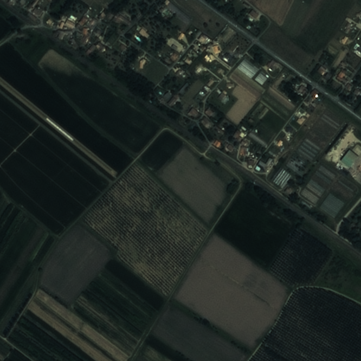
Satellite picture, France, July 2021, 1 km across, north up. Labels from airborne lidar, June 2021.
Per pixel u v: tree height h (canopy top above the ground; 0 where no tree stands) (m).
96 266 0
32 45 0
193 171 0
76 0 7
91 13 0
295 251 17
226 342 0
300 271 17
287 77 0
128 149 0
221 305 0
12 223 9
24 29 0
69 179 0
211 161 0
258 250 0
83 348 0
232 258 0
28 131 0
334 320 18
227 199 0
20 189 0
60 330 0
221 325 0
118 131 0
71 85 0
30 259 0
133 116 0
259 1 0
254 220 0
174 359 0
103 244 0
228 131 12
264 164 0
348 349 19
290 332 16
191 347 0
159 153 0
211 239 0
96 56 7
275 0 0
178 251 11
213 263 0
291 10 0
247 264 0
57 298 12
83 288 0
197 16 0
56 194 0
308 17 0
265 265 0
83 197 0
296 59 0
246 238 0
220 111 7
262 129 0
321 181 0
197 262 0
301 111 0
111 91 0
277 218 0
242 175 0
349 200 0
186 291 0
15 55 0
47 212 0
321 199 0
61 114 0
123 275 0
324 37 0
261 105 0
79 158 0
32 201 0
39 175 0
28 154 0
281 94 0
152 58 0
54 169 0
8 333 23
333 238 0
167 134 0
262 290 0
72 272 0
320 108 0
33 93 0
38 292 0
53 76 0
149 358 0
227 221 0
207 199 0
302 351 15
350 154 0
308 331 14
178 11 0
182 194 0
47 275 0
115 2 8
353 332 19
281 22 0
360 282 0
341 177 0
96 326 7
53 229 0
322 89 0
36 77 0
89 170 0
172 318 0
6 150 0
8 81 0
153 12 6
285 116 0
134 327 7
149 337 0
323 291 17
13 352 13
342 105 0
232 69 0
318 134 0
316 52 0
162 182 0
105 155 0
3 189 0
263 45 0
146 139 0
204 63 0
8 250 0
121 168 0
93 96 0
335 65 0
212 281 0
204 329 0
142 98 6
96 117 0
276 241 0
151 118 0
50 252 0
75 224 0
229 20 0
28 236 0
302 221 16
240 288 0
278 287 0
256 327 0
